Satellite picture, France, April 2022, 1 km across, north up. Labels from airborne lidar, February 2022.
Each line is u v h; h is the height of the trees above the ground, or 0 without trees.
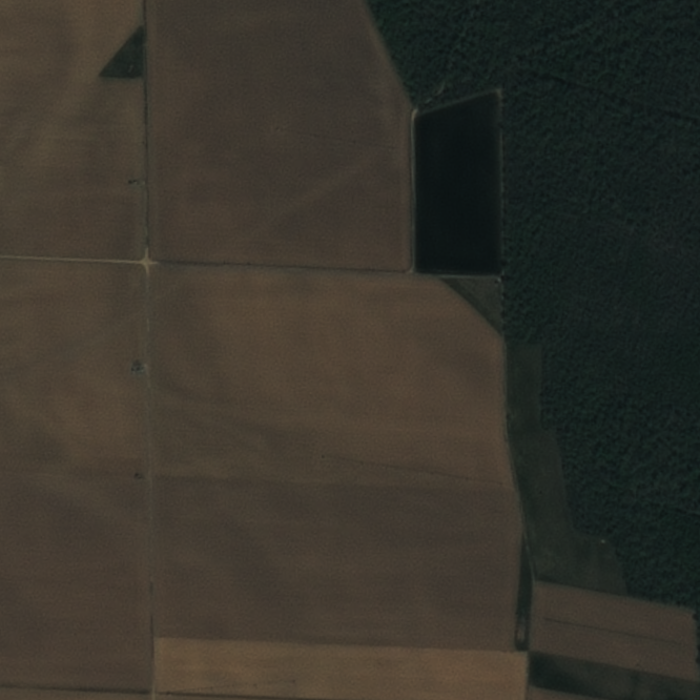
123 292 0
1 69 0
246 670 0
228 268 0
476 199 0
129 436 0
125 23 0
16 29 0
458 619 0
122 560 0
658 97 8
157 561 0
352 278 0
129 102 0
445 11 14
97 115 0
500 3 6
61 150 0
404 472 0
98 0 0
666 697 0
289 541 0
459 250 0
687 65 11
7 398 0
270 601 0
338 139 0
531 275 9
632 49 12
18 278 0
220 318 0
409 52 14
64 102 0
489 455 0
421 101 9
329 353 0
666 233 6
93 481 0
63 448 0
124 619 0
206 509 0
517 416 0
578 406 14
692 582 14
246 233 0
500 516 0
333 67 0
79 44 0
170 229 0
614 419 12
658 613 0
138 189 0
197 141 0
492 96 0
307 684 0
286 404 0
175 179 0
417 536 0
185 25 0
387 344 0
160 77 0
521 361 0
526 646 0
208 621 0
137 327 0
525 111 12
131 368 0
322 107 0
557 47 13
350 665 0
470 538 0
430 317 0
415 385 0
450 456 0
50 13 0
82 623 0
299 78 0
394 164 0
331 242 0
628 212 9
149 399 0
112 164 0
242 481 0
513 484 0
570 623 0
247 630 0
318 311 0
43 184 0
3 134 0
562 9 7
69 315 0
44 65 0
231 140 0
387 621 0
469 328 0
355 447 0
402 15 11
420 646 0
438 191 0
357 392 0
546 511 0
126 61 0
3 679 0
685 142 9
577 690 0
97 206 0
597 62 14
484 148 0
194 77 0
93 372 0
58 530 0
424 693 0
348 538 0
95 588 0
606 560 0
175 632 0
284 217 0
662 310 9
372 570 0
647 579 11
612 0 11
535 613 0
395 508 0
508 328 8
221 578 0
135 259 0
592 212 7
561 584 0
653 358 7
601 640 0
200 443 0
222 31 0
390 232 0
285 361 0
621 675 0
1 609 0
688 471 12
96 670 0
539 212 11
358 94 0
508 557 0
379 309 0
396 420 0
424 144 0
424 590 0
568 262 10
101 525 0
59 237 0
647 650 0
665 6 12
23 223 0
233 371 0
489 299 0
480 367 0
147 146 0
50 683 0
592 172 8
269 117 0
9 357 0
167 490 0
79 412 0
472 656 0
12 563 0
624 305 6
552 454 0
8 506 0
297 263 0
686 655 0
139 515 0
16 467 0
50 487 0
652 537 8
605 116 10
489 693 0
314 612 0
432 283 0
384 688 0
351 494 0
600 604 0
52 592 0
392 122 0
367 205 0
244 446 0
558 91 10
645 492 16
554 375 7
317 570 0
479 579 0
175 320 0
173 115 0
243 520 0
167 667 0
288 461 0
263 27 0
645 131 13
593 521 9
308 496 0
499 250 0
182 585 0
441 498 0
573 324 9
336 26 0
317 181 0
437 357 0
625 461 14
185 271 0
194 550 0
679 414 13
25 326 0
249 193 0
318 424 0
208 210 0
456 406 0
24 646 0
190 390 0
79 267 0
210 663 0
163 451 0
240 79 0
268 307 0
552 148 8
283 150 0
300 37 0
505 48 5
